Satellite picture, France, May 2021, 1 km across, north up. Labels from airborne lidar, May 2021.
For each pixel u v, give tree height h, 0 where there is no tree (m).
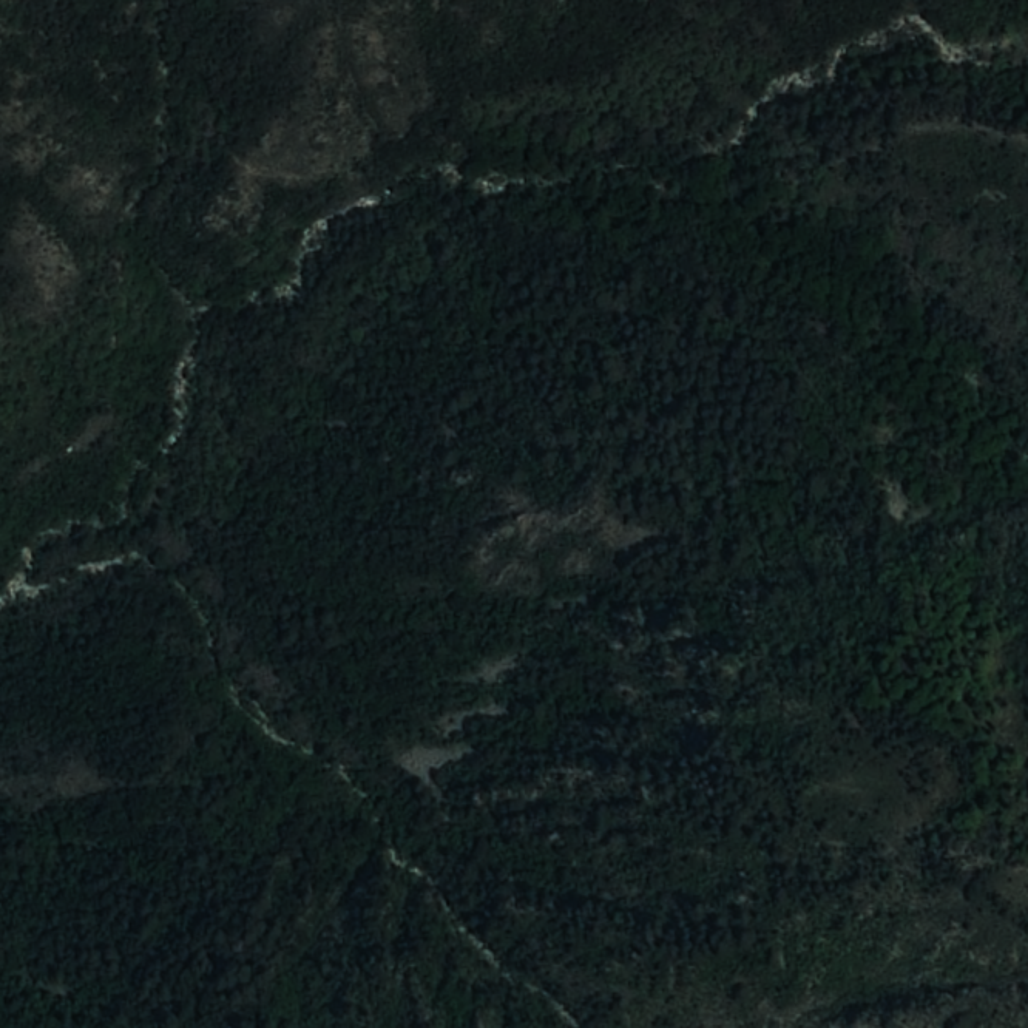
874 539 7
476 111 18
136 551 7
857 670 7
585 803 6
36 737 9
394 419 11
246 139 6
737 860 6
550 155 19
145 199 13
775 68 9
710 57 17
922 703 23
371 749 12
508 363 23
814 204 15
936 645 15
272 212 14
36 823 12
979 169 7
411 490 7
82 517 8
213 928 29
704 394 26
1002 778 23
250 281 14
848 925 17
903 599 14
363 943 9
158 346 16
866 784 0
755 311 10
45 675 12
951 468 21
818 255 24
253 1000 26
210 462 22
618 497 6
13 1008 11
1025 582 11
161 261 15
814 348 13
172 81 12
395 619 16
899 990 6
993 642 23
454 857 13
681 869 10
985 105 23
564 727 18
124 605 14
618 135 11
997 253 7
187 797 16
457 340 18
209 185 15
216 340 20
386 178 13
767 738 14
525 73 18
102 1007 6
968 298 10
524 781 9
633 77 19
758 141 17
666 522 6
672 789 22
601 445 7
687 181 26
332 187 14
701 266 14
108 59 13
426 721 7
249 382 11
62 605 10
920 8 13
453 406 29
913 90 23
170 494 18
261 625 18
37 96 11
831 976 7
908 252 6
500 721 12
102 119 9
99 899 15
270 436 11
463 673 16
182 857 8
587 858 8
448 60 13
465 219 15
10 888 12
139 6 7
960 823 19
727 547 8
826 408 11
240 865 8
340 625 12
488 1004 12
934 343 22
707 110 12
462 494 10
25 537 16
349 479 9
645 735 26
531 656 7
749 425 38
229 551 15
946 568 8
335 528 10
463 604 18
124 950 20
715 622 19
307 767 17
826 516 9
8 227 9
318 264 12
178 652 8
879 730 20
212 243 14
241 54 8
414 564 14
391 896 22
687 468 11
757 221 12
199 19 8
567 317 20
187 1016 25
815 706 6
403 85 7
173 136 11
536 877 15
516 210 11
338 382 9
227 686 11
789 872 27
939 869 17
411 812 14
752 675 15
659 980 20
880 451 7
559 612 8
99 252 11
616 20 12
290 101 6
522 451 7
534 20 13
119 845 9
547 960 11
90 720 13
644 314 9
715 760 9
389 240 22
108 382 11
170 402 7
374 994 6
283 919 17
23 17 7
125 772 13
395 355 18
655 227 18
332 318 11
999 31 8
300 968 17
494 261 18
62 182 8
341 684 13
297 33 7
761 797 24
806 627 7
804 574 6
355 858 10
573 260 16
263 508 14
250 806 8
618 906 8
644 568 30
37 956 7
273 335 10
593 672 11
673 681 16
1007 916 13
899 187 6
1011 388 8
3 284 9
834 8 12
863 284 34
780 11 18
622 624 7
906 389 29
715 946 21
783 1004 6
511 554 9
